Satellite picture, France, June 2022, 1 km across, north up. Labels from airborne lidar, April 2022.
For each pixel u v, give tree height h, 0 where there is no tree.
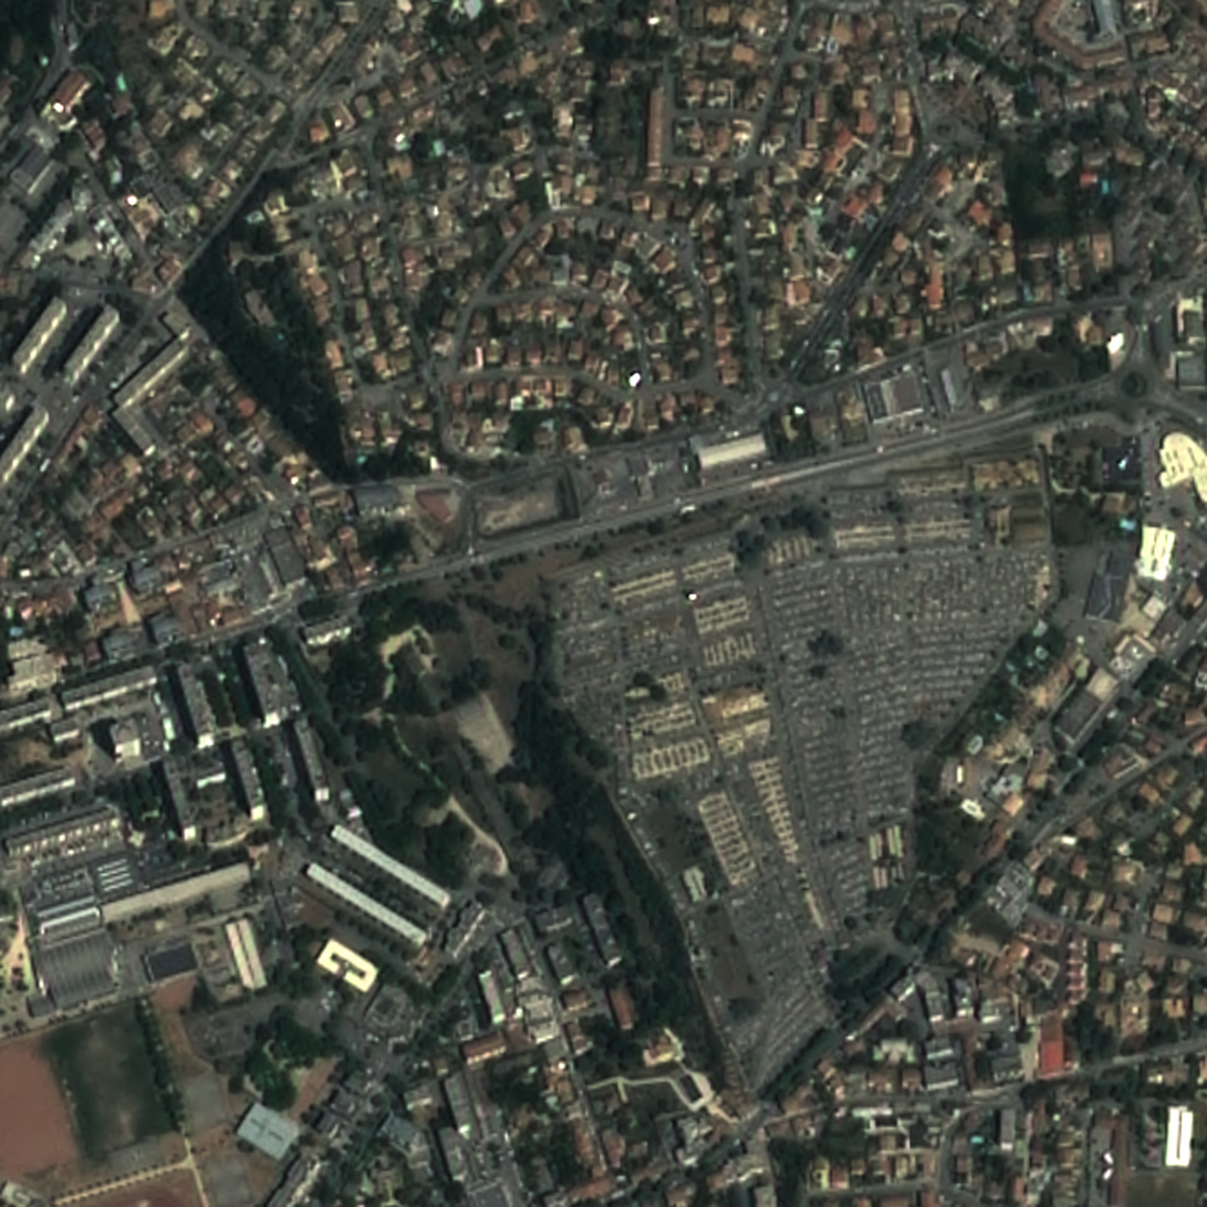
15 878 0
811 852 0
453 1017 11
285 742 8
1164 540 0
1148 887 0
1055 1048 0
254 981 0
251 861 7
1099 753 14
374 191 9
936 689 0
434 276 6
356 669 12
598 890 16
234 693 10
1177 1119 0
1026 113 13
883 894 13
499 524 0
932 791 6
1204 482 0
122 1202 0
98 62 15
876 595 0
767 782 0
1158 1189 0
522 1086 7
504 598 0
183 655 14
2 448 0
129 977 0
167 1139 0
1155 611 0
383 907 7
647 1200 12
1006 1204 7
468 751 7
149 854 0
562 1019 0
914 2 0
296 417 12
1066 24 0
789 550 0
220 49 0
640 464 0
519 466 6
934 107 0
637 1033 11
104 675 12
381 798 16
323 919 0
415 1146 0
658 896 11
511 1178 0
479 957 11
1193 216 0
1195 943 6
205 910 9
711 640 0
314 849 10
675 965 7
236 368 12
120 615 0
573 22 11
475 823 0
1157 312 0
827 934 0
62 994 0
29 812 12
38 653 0
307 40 0
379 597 8
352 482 17
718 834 0
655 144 0
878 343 8
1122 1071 8
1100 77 9
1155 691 14
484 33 7
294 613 0
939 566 0
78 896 0
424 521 0
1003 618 0
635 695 0
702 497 0
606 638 0
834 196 10
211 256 12
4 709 13
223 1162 0
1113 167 13
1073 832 7
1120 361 0
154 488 7
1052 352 11
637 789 0
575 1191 0
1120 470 0
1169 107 7
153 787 9
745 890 0
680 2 11
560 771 11
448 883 13
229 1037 0
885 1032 5
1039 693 0
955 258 0
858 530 0
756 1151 0
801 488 0
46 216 7
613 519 0
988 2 0
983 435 0
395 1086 12
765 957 0
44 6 10
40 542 8
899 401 0
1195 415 0
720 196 8
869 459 0
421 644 11
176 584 0
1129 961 0
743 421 0
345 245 0
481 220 6
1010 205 6
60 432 0
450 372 0
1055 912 11
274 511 0
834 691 0
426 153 10
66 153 14
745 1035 0
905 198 0
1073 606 0
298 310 11
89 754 0
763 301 8
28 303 7
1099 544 0
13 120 9
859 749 0
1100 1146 0
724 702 0
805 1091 0
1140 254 0
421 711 11
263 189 12
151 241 7
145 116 11
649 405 0
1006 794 0
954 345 0
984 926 0
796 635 0
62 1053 0
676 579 0
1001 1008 0
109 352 7
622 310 0
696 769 0
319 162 9
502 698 0
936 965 15
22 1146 0
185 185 8
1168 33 10
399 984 8
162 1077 12
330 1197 14
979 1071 11
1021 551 0
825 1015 0
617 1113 9
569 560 0
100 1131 0
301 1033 14
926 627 0
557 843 13
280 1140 0
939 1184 0
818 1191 0
